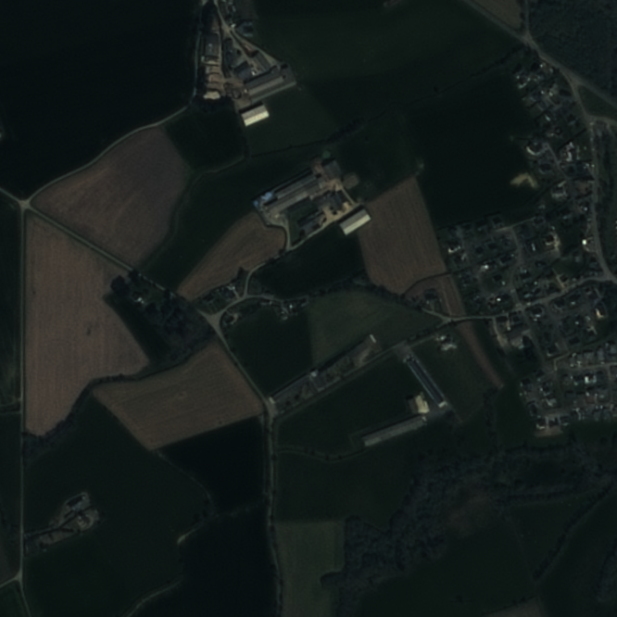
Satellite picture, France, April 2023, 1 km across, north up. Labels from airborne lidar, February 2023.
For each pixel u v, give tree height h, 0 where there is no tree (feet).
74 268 0
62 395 0
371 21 0
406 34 0
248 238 0
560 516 0
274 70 0
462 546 0
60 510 0
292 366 0
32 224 0
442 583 0
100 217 0
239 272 23
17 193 0
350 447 0
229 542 0
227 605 0
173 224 0
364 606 0
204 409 0
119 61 0
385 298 56
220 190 0
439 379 0
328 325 0
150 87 0
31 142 0
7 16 0
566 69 0
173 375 0
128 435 0
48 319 0
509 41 0
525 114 0
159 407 0
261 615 0
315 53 0
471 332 0
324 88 0
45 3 0
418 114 0
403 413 0
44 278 0
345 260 0
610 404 0
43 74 0
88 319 0
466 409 0
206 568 0
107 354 0
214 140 0
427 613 0
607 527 0
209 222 0
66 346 0
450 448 0
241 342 0
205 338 43
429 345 0
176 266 0
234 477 0
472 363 0
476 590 0
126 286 58
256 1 0
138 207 0
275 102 0
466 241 0
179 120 0
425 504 26
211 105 60
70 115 0
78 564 0
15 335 0
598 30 27
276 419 23
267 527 0
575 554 0
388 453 0
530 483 0
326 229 0
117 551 0
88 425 0
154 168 0
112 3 0
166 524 0
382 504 0
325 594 0
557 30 20
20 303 0
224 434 0
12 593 0
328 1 0
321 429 0
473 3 0
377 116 0
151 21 0
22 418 0
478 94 0
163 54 0
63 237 0
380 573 98
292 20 0
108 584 0
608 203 37
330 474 0
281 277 0
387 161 0
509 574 0
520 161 0
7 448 0
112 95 0
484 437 0
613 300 68
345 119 0
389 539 33
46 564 0
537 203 28
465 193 0
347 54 0
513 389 0
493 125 0
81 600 0
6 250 0
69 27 0
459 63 0
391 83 0
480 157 0
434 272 0
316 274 0
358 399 0
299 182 0
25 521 0
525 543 0
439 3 0
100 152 0
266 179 0
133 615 0
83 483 0
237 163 0
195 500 0
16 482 0
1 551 0
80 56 0
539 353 0
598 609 0
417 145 0
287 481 0
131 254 0
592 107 0
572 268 0
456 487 62
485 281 0
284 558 0
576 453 75
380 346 0
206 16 46
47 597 0
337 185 0
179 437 0
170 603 0
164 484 0
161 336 35
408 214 0
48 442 43
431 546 83
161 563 0
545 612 0
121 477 0
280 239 0
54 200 0
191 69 0
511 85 0
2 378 0
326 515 0
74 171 0
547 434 0
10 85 0
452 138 0
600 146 46
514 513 0
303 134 0
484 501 0
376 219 0
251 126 0
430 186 0
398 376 0
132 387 0
